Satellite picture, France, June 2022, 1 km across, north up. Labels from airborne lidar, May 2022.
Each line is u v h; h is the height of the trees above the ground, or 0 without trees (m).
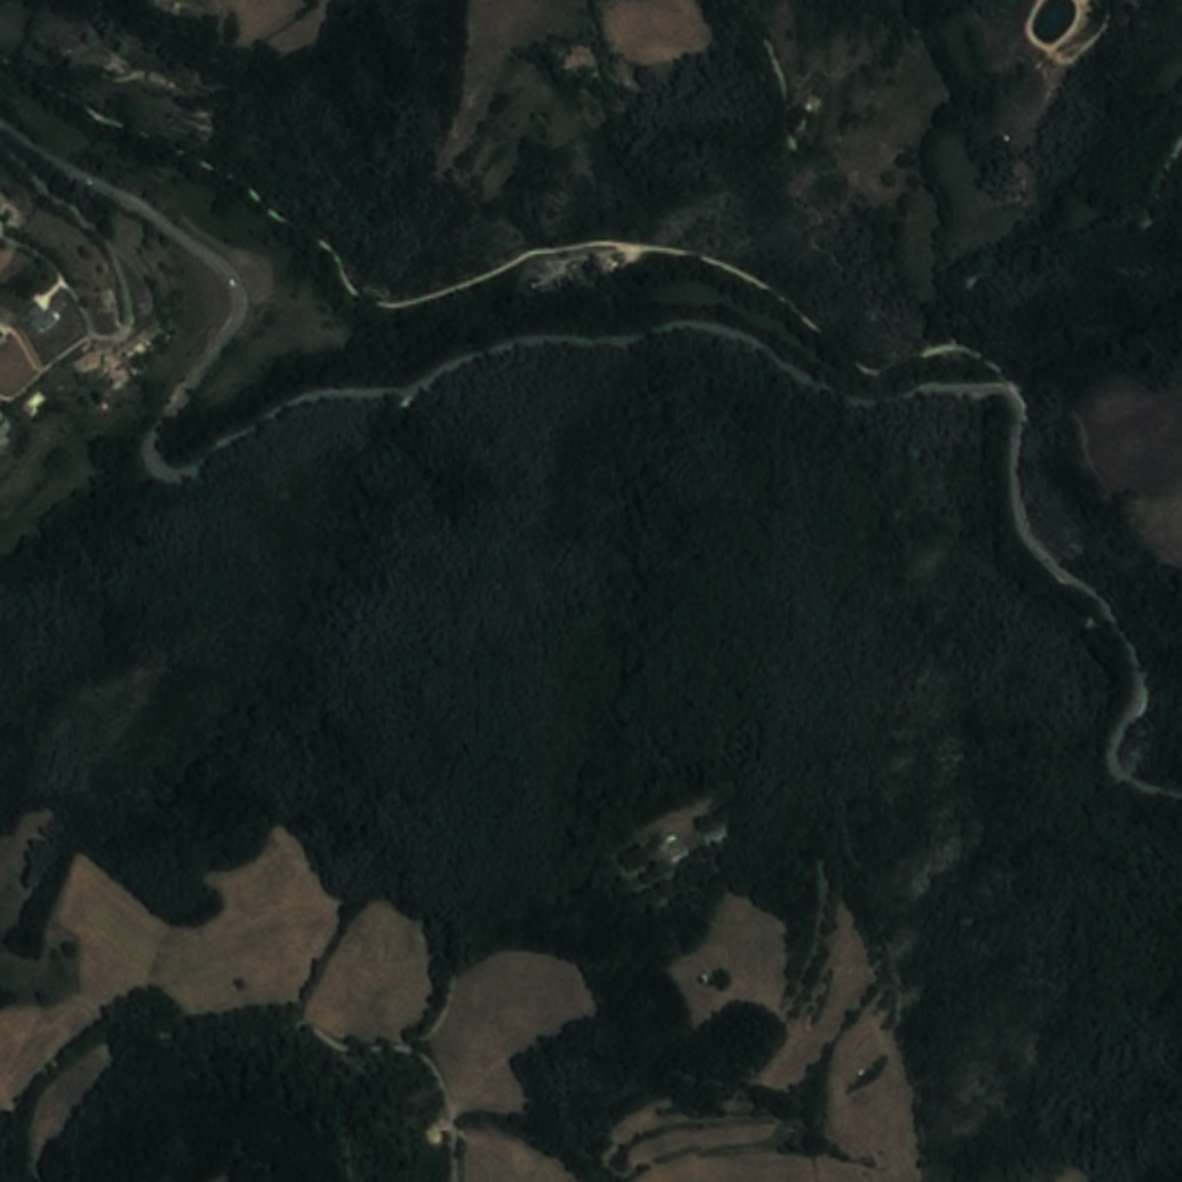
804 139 7
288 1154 19
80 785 8
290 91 12
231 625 14
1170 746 7
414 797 18
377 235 13
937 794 8
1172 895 20
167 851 24
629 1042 12
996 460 15
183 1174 19
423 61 19
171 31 10
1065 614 20
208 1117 24
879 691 18
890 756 9
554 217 9
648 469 16
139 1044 18
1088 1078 18
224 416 15
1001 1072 7
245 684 10
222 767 18
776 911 7
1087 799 16
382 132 19
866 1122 0
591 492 14
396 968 0
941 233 13
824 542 19
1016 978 14
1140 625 8
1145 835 21
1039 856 19
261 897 0
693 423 13
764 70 14
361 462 21
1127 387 0
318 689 21
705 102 18
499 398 15
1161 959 19
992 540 21
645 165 16
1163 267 12
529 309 27
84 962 0
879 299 11
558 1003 0
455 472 20
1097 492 7
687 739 13
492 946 13
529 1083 9
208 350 0
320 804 20
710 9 13
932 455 8
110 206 7
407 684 20
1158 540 0
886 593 11
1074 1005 18
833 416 13
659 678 18
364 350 21
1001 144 9
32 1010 0
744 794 10
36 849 13
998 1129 14
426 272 8
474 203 12
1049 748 18
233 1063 20
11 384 0
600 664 13
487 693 19
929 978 8
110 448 30
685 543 16
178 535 17
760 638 15
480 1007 0
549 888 19
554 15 0
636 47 0
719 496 14
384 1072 14
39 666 13
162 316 7
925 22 16
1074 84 13
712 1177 0
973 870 12
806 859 12
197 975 0
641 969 12
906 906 8
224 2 0
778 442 17
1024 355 13
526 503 15
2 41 0
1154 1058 24
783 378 16
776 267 11
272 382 13
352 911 7
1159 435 0
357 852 24
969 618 18
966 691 10
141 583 14
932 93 0
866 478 16
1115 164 13
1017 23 0
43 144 13
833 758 12
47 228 0
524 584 17
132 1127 25
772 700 14
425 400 17
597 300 23
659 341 17
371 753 19
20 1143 13
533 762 15
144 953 0
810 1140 11
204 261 0
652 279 25
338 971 0
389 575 13
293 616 12
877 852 12
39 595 14
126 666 11
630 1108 15
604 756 15
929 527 6
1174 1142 21
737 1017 12
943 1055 7
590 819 16
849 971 0
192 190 0
